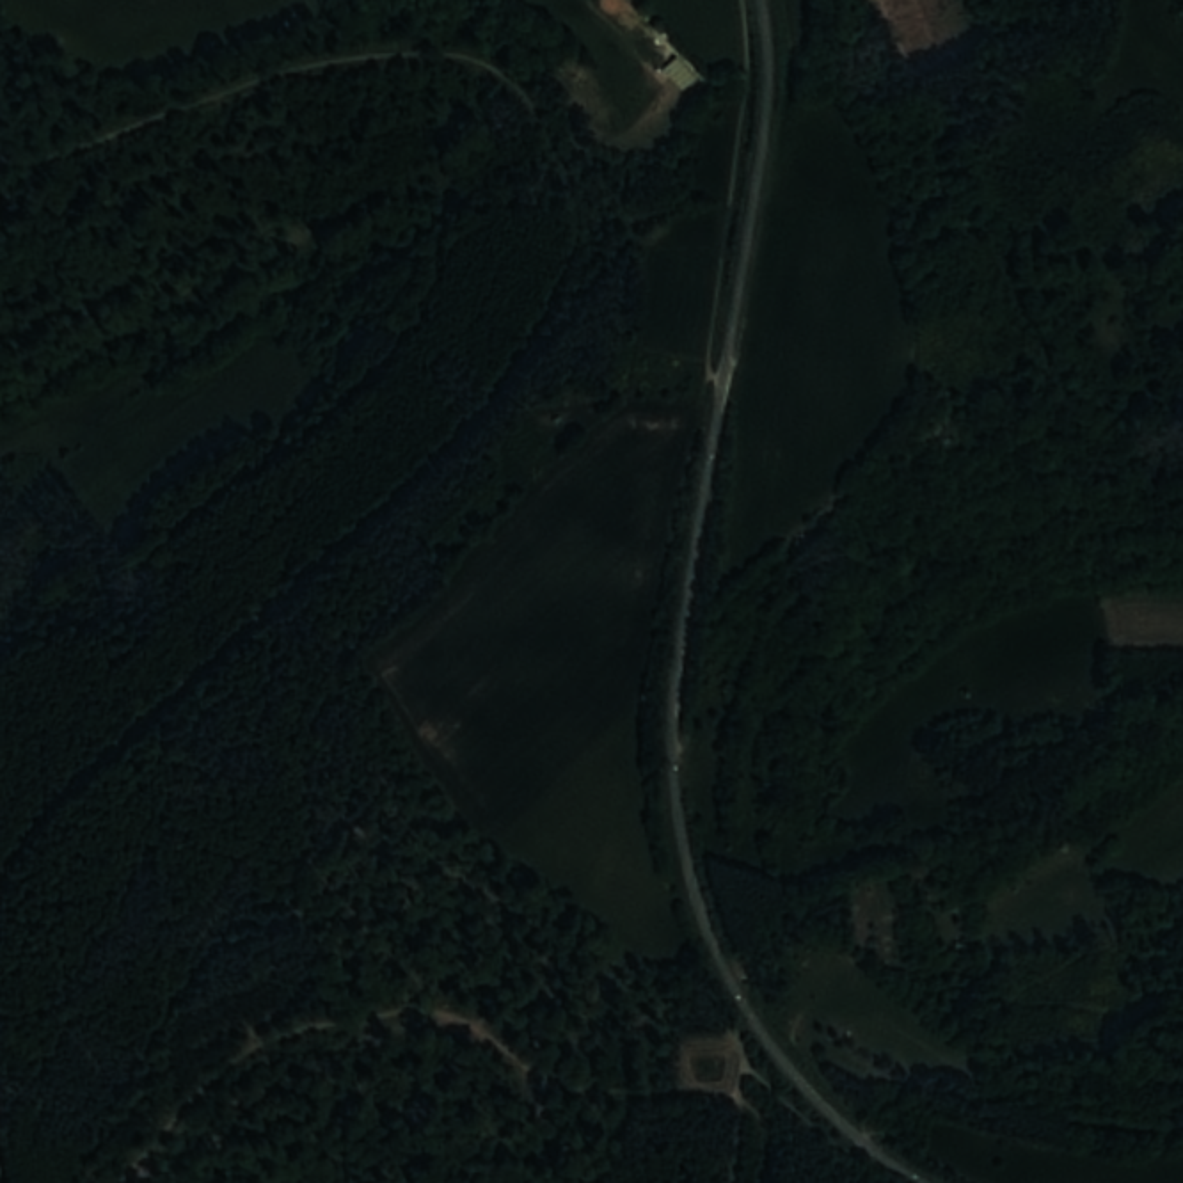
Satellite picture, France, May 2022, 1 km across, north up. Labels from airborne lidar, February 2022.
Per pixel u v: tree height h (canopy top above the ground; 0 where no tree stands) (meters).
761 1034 0
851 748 0
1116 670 20
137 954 22
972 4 25
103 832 24
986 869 25
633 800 0
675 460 0
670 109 0
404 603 23
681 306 0
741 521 0
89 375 20
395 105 11
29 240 35
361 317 10
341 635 32
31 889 23
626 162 13
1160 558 25
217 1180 35
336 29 32
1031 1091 12
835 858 0
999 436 21
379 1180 35
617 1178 24
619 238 18
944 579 26
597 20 0
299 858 21
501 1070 38
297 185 14
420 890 36
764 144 0
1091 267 29
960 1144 0
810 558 22
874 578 30
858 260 0
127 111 11
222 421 0
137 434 0
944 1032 19
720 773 7
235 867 27
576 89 0
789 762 29
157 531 26
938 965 9
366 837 32
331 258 20
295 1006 29
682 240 0
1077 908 0
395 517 26
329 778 19
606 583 0
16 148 34
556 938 37
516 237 20
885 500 16
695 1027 23
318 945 30
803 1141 23
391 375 18
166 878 24
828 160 0
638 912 0
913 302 22
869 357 0
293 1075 38
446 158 31
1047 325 26
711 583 10
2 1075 22
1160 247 19
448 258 18
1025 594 19
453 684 0
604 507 0
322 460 18
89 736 17
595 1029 0
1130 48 0
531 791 0
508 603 0
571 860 0
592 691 0
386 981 36
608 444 0
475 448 26
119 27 0
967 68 32
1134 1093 24
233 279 33
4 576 33
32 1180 15
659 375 0
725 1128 26
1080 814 26
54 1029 17
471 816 0
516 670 0
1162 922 14
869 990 0
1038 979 0
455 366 28
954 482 15
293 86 12
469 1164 30
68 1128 18
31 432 0
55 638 21
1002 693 0
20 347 36
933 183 14
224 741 28
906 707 0
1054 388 26
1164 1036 29
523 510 0
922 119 29
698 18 0
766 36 0
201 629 20
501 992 35
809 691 29
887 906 0
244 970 32
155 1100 15
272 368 0
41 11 0
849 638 27
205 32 0
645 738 16
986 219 26
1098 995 0
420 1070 37
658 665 13
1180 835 0
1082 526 13
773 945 18
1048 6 21
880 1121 11
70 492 31
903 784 0
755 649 13
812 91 21
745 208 0
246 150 0
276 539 18
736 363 0
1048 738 7
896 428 17
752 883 21
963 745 10
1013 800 22
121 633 22
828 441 0
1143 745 19
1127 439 22
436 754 0
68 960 22
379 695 17
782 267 0
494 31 26
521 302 18
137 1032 13
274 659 30
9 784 19
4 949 22
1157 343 16
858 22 27
